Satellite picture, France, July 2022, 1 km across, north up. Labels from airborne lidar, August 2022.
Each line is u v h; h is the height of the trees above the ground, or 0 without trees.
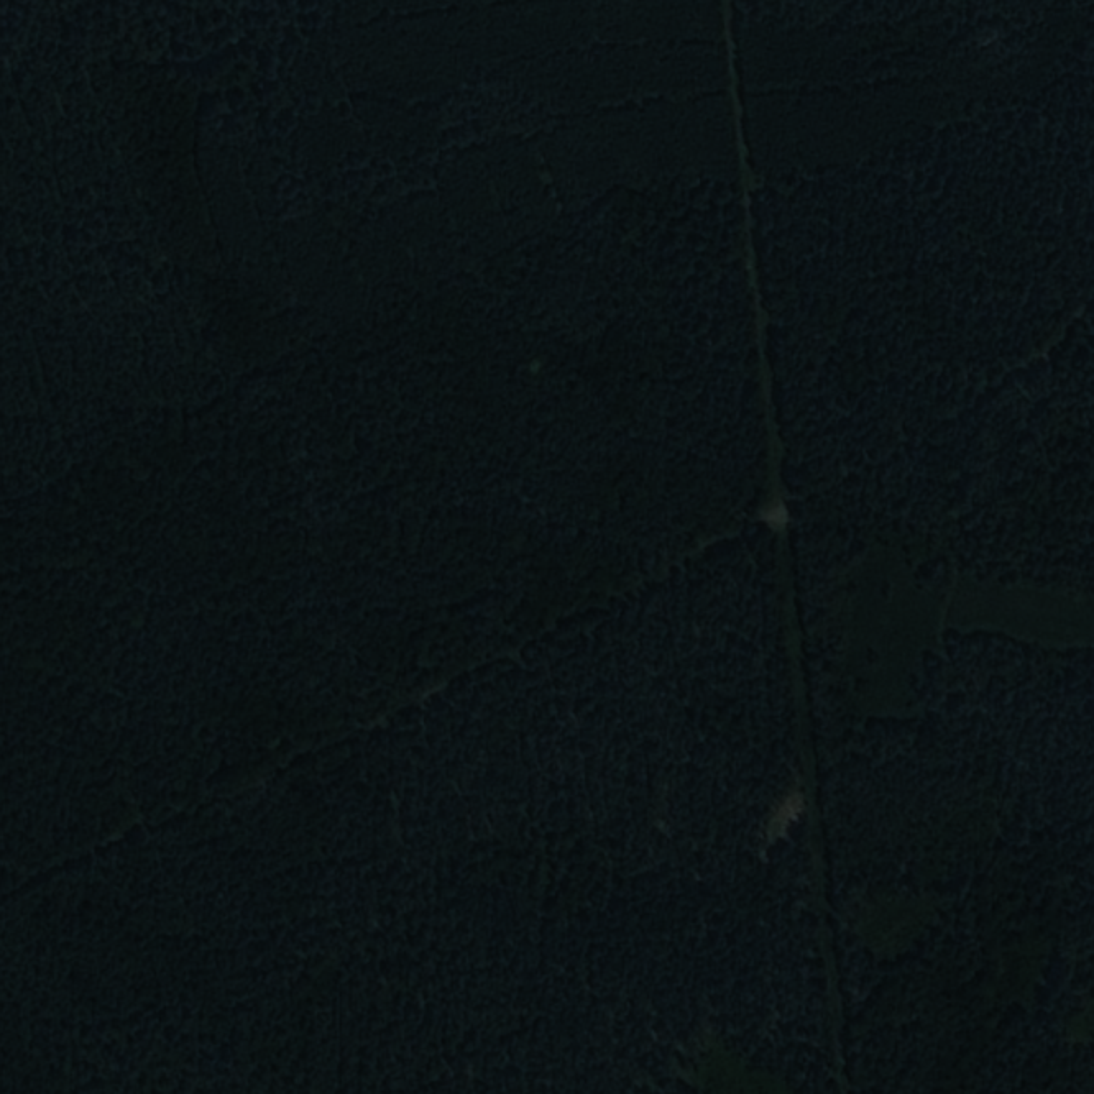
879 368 30
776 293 28
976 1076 14
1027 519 20
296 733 24
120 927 17
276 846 14
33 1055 17
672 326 23
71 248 21
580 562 23
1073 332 22
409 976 21
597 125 17
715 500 18
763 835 26
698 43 18
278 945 22
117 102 16
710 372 20
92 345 23
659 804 20
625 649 30
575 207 17
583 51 19
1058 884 17
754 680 16
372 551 21
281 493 25
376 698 19
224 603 24
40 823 20
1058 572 20
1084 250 32
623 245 25
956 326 25
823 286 22
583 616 20
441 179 19
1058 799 23
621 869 19
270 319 18
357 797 24
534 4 17
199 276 14
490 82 29
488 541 26
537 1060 21
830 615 18
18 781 21
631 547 17
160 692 25
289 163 20
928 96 21
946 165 28
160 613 24
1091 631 0
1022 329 24
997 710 25
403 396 29
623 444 25
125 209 22
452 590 22
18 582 18
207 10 10
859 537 16
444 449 21
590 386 19
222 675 19
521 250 16
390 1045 23
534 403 23
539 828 9
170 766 21
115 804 23
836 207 24
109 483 25
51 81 21
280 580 21
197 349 22
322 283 19
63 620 22
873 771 19
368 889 23
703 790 23
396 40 19
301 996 12
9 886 20
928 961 28
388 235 20
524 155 20
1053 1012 32
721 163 18
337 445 27
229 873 20
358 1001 15
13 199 21
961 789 22
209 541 20
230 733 16
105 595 22
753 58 18
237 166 20
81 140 18
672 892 21
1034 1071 24
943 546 17
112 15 17
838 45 20
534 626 24
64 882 21
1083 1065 21
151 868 19
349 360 23
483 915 23
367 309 21
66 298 21
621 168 17
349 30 19
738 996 18
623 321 23
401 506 21
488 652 21
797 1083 20
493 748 18
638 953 21
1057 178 29
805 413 21
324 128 21
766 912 18
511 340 20
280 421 23
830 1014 17
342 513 25
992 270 27
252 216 18
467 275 26
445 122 8
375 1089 23
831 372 26
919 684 12
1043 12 19
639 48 20
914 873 19
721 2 20
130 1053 21
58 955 16
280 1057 15
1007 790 26
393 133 20
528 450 22
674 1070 26
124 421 23
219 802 19
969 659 24
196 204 16
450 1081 20
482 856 14
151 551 20
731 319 26
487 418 21
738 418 20
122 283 19
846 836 23
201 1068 22
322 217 20
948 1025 23
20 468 20
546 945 22
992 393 23
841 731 11
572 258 28
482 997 20
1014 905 17
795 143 18
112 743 19
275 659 19
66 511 21
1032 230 25
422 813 17
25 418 13
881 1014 21
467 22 19
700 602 24
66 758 23
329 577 29
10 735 25
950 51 17
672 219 23
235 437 24
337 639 17
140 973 16
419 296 20
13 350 23
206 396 23
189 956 17
